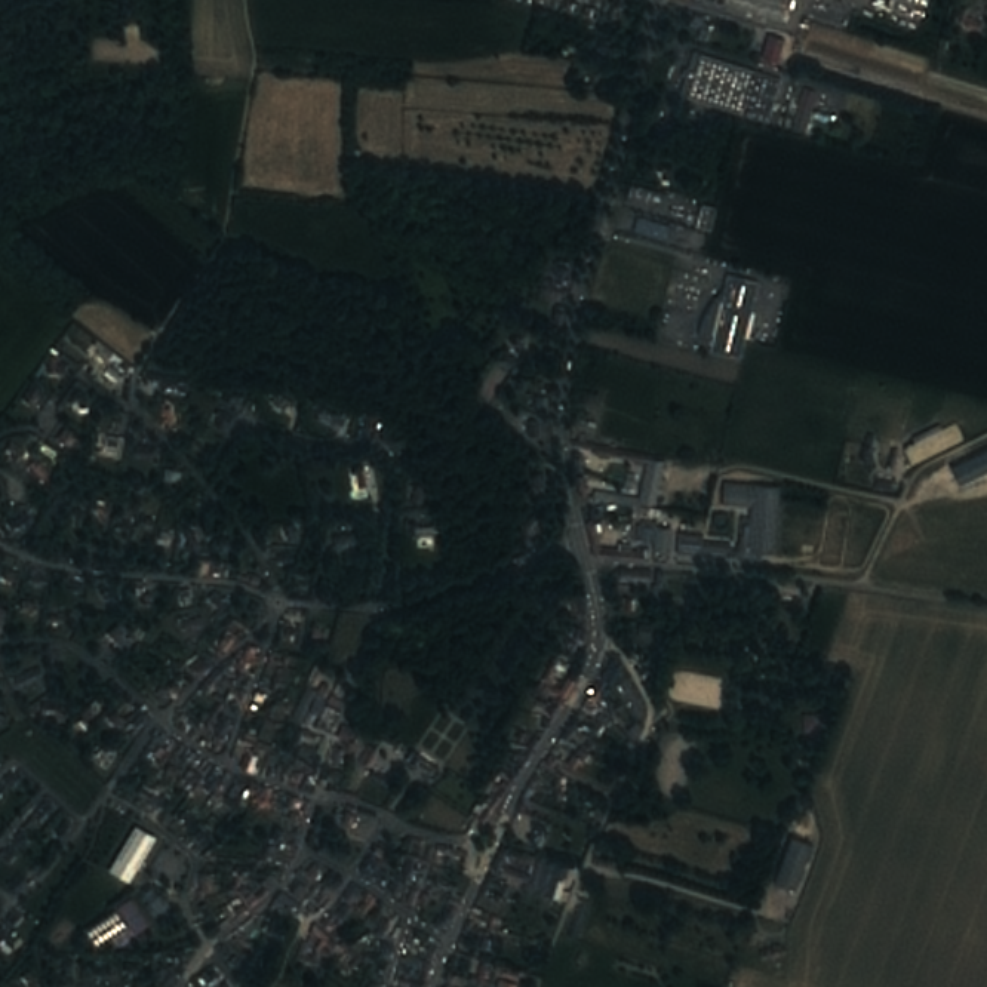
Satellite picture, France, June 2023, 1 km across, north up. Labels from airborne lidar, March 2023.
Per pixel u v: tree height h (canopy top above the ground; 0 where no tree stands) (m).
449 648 23
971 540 0
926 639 0
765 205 0
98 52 0
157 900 0
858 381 0
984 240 0
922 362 0
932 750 0
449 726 0
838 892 0
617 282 0
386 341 28
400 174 19
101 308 0
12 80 11
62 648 0
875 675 0
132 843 0
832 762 0
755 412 0
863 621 0
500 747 9
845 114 9
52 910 7
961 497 0
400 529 10
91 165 23
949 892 0
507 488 23
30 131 23
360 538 16
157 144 20
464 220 21
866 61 0
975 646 0
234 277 21
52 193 20
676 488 0
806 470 0
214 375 24
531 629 23
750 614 22
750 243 0
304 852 0
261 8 0
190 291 8
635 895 14
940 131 0
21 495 0
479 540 27
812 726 0
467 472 29
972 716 0
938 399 0
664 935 16
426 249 25
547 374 16
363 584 18
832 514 0
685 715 11
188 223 0
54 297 17
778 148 0
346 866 0
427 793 12
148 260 0
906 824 0
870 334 0
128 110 26
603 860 7
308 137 0
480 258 25
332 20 0
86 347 0
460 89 0
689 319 0
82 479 14
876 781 0
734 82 0
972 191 0
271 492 0
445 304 0
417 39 0
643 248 0
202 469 11
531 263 23
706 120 20
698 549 0
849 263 0
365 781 0
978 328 0
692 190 21
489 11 0
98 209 0
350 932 14
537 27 12
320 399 14
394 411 21
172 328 10
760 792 14
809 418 0
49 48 8
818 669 26
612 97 20
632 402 0
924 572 0
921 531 0
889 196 0
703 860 0
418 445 13
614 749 15
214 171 0
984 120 0
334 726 0
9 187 21
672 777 0
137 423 8
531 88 0
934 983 0
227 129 0
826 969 0
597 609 0
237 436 16
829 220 0
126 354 0
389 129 0
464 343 28
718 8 0
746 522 0
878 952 0
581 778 0
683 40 12
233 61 0
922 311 0
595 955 0
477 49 0
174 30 9
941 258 0
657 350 0
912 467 0
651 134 16
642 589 10
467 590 21
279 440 12
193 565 10
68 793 0
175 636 0
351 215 0
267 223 0
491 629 21
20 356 0
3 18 20
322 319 23
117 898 8
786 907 0
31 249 20
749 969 0
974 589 0
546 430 0
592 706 0
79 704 11
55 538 8
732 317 0
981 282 0
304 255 0
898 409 0
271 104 0
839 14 0
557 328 6
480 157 0
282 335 24
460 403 27
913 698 0
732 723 17
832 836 0
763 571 12
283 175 0
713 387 0
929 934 0
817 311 0
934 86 0
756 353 0
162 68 11
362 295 19
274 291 23
